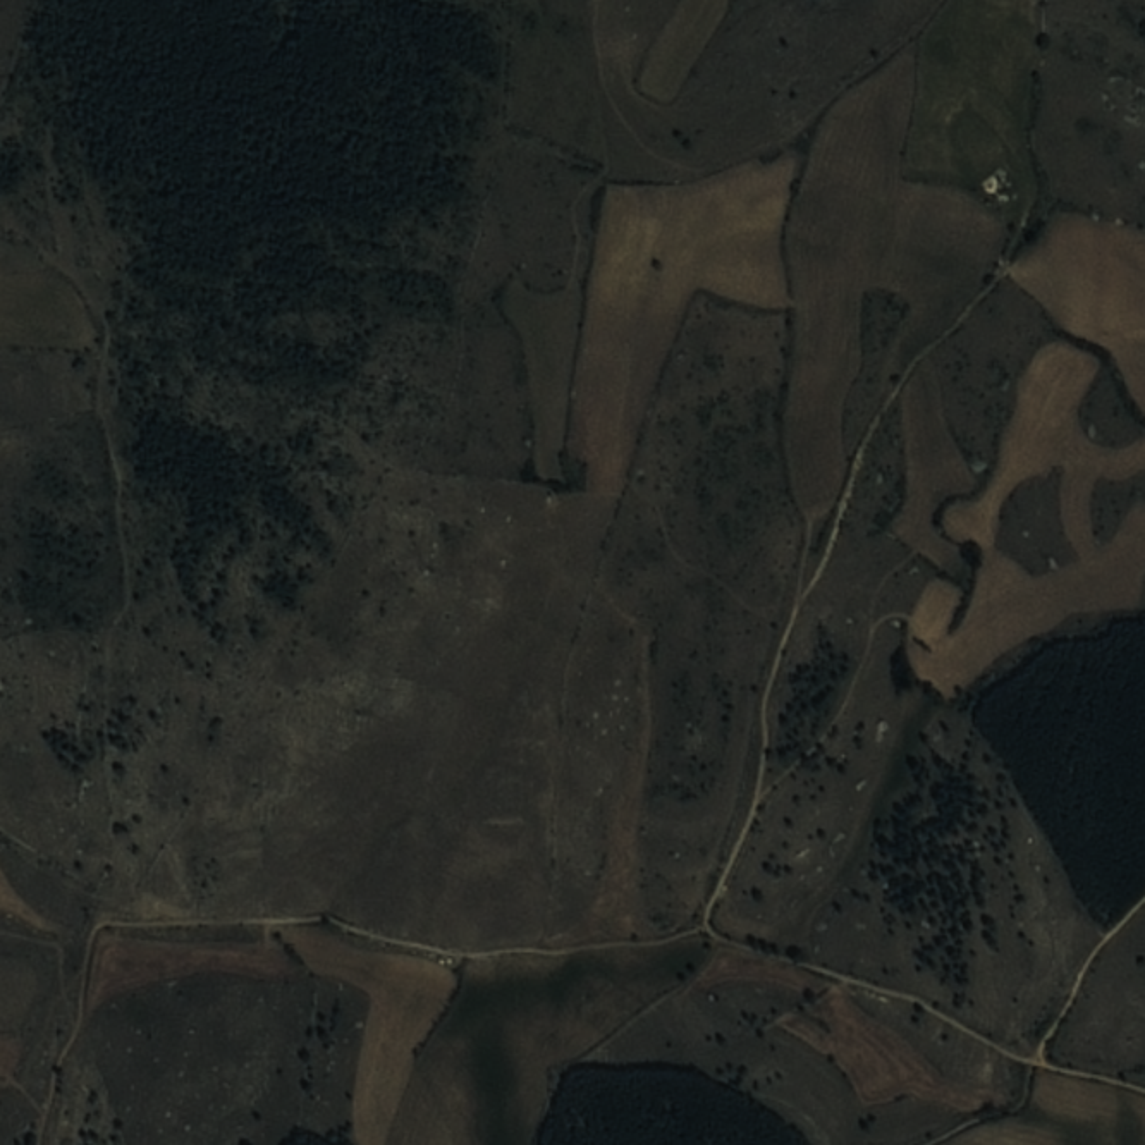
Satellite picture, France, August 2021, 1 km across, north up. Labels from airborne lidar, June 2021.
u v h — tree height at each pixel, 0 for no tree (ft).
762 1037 31
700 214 0
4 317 0
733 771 0
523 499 0
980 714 34
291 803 0
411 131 35
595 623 0
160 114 33
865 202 0
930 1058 0
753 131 0
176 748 0
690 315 0
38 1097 0
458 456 0
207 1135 0
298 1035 0
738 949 0
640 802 0
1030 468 0
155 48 40
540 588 0
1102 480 0
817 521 0
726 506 0
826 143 0
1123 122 0
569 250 0
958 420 0
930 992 0
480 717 0
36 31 26
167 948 0
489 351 0
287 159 31
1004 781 25
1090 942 0
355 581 0
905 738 0
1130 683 34
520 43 0
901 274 0
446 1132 0
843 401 0
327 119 29
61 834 0
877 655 0
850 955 0
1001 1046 0
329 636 0
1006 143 0
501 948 0
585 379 0
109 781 0
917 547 0
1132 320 0
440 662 0
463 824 0
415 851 0
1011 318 0
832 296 0
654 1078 41
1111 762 41
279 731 0
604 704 0
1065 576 0
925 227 0
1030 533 0
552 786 0
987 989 0
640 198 0
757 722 0
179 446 36
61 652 0
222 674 0
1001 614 0
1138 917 0
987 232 0
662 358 0
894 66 0
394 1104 0
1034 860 0
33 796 0
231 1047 0
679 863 0
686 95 0
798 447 0
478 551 0
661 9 0
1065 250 0
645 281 0
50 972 0
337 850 0
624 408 0
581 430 0
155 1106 0
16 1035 0
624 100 0
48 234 0
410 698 0
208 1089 0
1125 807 41
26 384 0
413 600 0
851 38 0
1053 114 0
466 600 0
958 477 0
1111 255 0
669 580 0
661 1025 0
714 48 0
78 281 0
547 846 0
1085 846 36
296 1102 0
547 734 0
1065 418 0
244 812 0
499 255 0
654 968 0
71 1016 0
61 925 0
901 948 0
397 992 0
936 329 0
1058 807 34
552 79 0
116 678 0
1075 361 0
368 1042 0
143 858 0
